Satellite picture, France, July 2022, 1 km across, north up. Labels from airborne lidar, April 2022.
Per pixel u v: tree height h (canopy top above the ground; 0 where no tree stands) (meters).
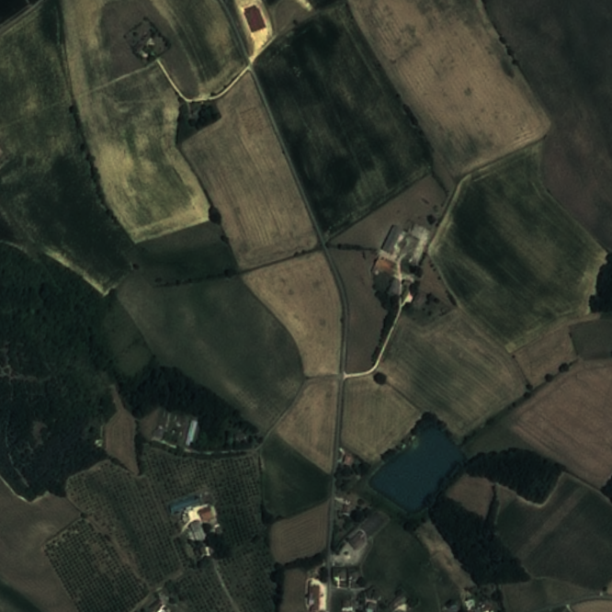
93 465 15
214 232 0
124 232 0
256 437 6
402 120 0
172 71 0
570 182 0
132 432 0
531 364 0
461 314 0
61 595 0
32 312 10
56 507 0
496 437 0
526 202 0
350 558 0
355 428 0
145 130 0
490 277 0
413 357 0
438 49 0
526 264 0
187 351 0
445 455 0
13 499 0
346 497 0
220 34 0
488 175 0
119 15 0
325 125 0
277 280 0
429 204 0
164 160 0
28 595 0
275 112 0
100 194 11
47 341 6
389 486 0
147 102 0
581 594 0
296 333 0
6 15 0
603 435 0
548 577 0
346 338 0
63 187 0
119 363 0
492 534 25
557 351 0
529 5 0
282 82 0
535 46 0
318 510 0
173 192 0
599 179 0
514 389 0
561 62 0
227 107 0
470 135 0
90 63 0
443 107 0
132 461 0
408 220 0
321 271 0
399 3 0
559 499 0
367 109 0
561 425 0
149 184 0
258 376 0
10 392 8
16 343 8
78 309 11
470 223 0
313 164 0
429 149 0
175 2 0
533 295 0
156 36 11
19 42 0
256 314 0
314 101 0
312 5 0
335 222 0
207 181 0
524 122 0
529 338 0
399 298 8
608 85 0
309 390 0
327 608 0
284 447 0
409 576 0
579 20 0
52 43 0
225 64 0
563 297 0
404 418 0
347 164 0
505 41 9
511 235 0
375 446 0
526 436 0
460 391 0
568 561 0
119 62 0
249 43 0
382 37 0
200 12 0
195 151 0
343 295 0
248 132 0
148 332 0
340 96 0
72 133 0
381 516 0
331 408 0
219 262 0
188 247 0
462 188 0
